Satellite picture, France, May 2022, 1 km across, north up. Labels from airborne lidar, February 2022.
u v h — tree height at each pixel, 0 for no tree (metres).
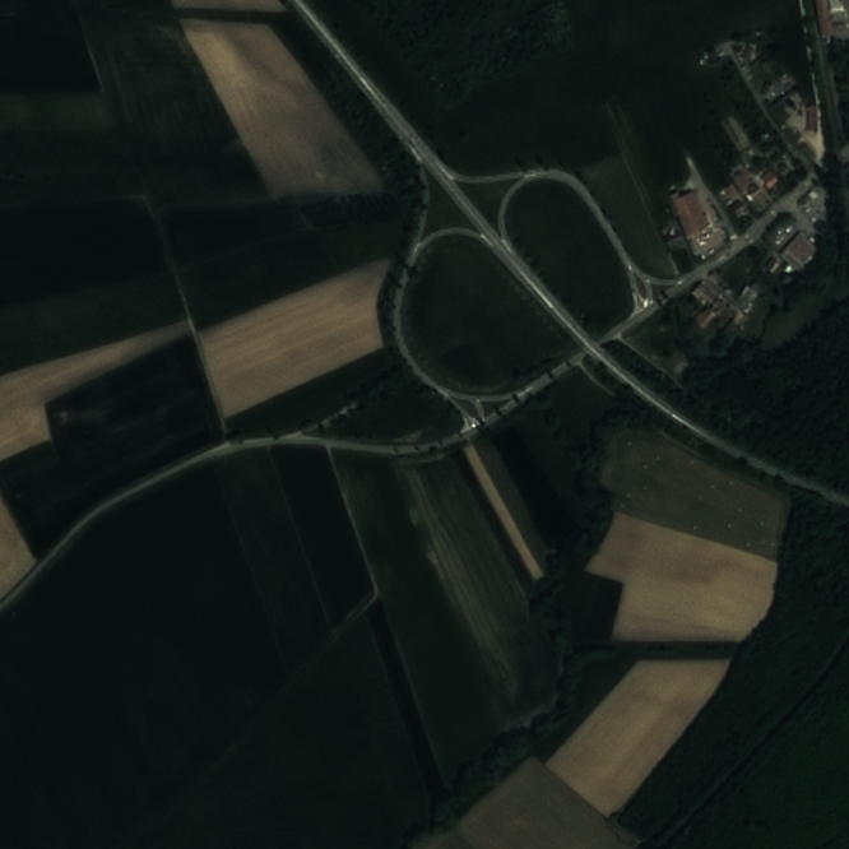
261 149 0
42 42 0
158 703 0
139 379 0
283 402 0
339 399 0
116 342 0
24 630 0
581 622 0
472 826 0
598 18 0
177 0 0
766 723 15
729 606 0
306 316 0
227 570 0
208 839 0
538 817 0
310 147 0
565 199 0
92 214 0
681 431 11
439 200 0
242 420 0
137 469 0
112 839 0
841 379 16
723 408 17
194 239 0
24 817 0
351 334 0
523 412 7
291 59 0
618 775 0
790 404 19
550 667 0
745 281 0
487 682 0
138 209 0
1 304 0
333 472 0
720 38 0
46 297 0
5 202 0
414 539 0
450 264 0
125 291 0
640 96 0
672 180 0
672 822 12
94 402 0
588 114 0
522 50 13
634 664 0
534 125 0
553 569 21
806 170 11
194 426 0
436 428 0
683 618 0
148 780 0
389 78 0
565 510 0
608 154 0
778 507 0
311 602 0
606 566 0
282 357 0
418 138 0
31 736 0
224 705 0
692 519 0
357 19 0
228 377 0
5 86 0
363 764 0
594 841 0
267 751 0
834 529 22
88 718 0
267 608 0
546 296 0
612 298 0
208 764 0
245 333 0
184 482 0
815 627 12
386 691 0
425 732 0
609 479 0
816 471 15
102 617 0
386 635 0
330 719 0
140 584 0
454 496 0
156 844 0
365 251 0
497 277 0
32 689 0
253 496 0
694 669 0
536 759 0
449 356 0
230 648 0
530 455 0
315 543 0
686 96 0
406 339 0
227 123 0
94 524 0
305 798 0
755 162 8
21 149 0
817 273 19
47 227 0
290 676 0
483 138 0
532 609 10
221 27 0
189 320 0
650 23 0
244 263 0
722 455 5
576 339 0
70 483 0
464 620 0
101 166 0
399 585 0
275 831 0
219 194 0
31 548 0
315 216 24
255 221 0
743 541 0
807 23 9
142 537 0
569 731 0
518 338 0
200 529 0
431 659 0
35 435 0
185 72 0
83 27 0
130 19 0
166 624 0
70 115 0
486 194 0
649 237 0
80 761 0
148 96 0
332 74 0
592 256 0
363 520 0
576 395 0
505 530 0
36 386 0
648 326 0
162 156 0
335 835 0
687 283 0
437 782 0
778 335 0
